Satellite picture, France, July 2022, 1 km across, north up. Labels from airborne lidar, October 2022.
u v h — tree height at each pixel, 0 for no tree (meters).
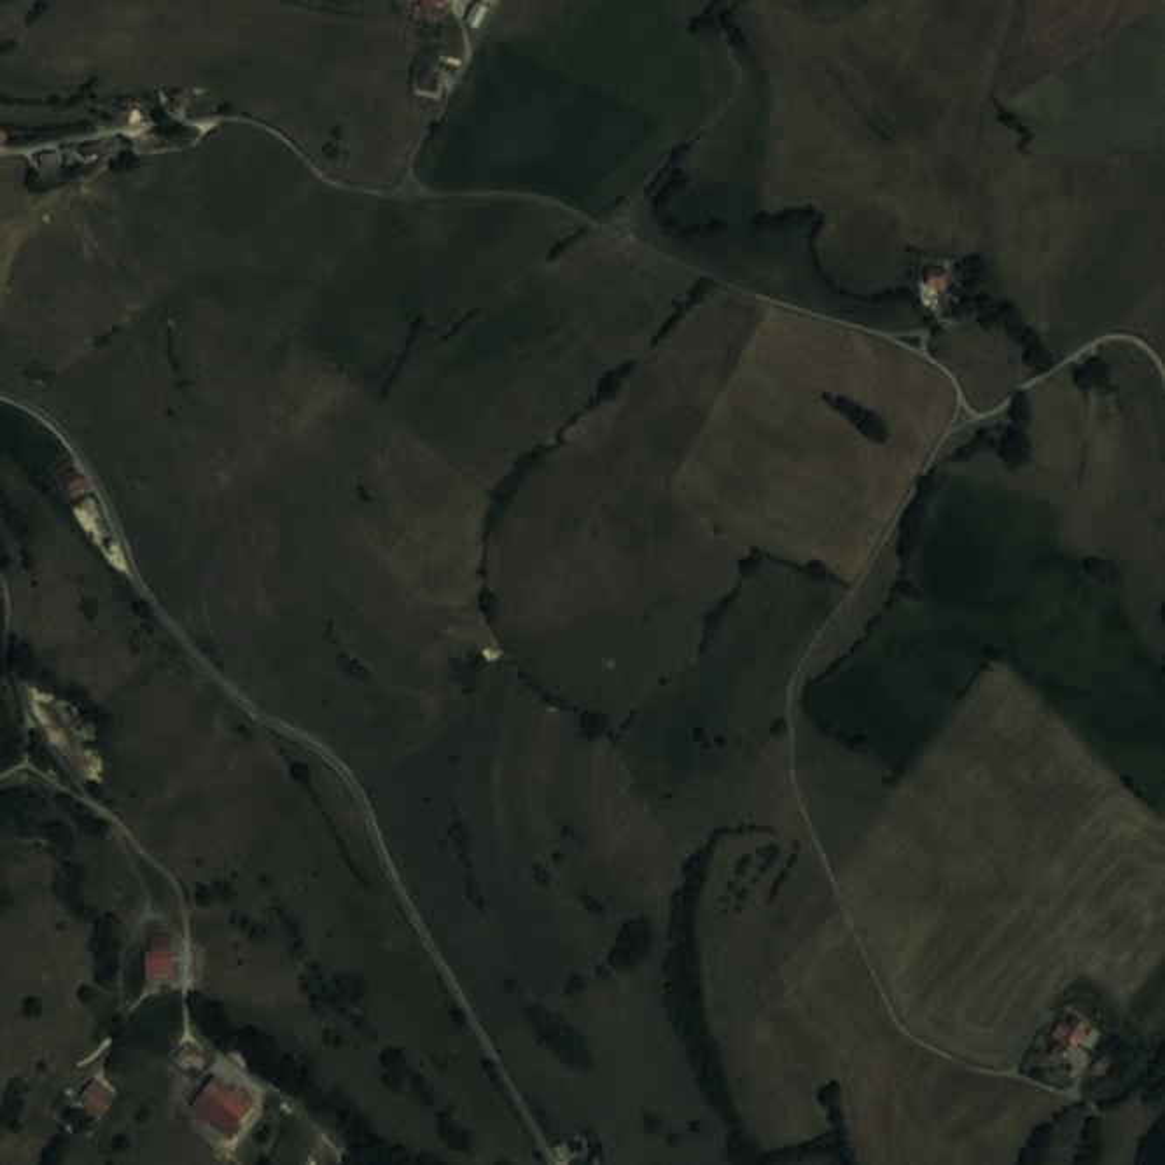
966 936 0
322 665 0
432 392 0
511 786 0
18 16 0
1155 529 0
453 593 0
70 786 0
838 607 0
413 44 0
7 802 8
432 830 0
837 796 0
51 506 0
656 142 0
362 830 0
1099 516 0
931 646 0
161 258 0
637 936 9
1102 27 0
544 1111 0
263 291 0
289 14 0
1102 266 0
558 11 0
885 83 0
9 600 0
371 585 0
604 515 0
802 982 0
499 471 0
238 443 0
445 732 0
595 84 0
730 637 0
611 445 0
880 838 0
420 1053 0
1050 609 0
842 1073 0
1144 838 0
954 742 0
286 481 0
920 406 0
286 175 0
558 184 0
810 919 0
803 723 0
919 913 0
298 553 0
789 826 0
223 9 0
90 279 0
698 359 0
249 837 0
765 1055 0
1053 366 9
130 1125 0
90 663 0
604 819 0
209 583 0
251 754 0
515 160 0
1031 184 0
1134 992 0
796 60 0
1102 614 0
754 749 0
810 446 0
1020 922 0
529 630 0
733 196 0
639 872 0
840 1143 13
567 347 0
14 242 0
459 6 0
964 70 0
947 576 0
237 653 0
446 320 0
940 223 0
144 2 0
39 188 15
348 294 0
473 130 0
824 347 0
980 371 0
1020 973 0
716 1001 0
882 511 0
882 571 0
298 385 0
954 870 0
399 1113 0
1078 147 0
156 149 0
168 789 0
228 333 0
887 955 0
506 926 0
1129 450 0
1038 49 0
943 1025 0
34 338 0
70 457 0
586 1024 0
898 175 0
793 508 0
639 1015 0
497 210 0
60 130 7
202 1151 0
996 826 0
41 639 0
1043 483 0
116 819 0
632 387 0
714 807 0
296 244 0
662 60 0
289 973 0
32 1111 0
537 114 0
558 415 0
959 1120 0
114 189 0
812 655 0
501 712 0
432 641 0
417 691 0
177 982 0
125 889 0
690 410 0
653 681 0
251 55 0
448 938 0
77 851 0
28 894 0
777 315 0
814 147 0
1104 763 0
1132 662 0
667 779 0
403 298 0
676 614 0
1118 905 0
